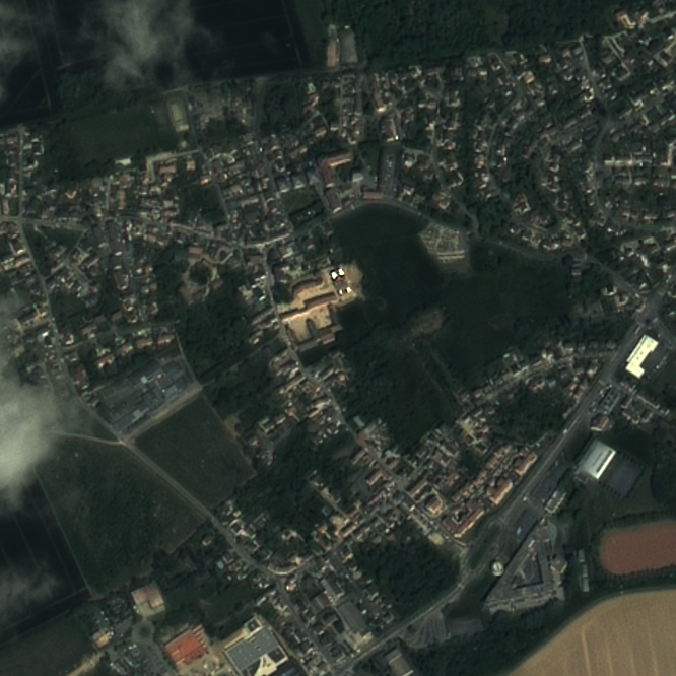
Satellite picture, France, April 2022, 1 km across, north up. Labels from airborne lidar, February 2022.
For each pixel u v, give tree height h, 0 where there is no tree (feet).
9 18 0
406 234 0
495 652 19
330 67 0
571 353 0
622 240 25
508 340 0
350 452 0
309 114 32
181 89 0
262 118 0
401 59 58
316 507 0
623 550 0
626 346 0
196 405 0
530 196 0
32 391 31
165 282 48
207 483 0
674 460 0
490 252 0
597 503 0
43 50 0
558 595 0
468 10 41
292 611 0
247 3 0
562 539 0
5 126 0
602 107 29
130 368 22
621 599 0
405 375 0
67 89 37
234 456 0
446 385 27
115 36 0
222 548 28
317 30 0
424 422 0
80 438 0
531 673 0
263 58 0
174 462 0
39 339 0
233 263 0
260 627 0
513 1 37
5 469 0
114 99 48
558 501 0
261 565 22
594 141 23
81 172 0
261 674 0
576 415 0
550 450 0
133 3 0
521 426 18
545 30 34
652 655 0
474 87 22
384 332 39
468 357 0
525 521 0
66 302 0
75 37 0
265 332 35
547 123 0
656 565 0
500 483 0
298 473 28
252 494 41
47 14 0
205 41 0
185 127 0
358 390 25
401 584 38
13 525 0
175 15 0
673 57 0
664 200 37
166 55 0
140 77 0
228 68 0
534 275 0
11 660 0
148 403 0
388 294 0
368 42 48
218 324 21
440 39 41
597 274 51
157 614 0
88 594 0
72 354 21
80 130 0
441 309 18
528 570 0
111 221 0
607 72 23
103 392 0
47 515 0
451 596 0
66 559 0
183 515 0
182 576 23
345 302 0
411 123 30
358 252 0
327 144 30
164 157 0
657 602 0
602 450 0
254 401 26
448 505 0
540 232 0
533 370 0
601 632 0
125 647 30
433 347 49
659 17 0
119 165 34
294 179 0
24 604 0
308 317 0
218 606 0
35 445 0
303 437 25
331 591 0
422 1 64
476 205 37
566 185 34
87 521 0
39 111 0
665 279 0
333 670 0
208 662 0
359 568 26
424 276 0
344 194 0
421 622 0
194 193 0
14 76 0
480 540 0
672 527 0
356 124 0
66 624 0
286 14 0
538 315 0
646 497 0
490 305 0
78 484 0
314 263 0
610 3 0
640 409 28
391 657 0
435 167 0
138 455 0
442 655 26
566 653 0
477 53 39
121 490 0
